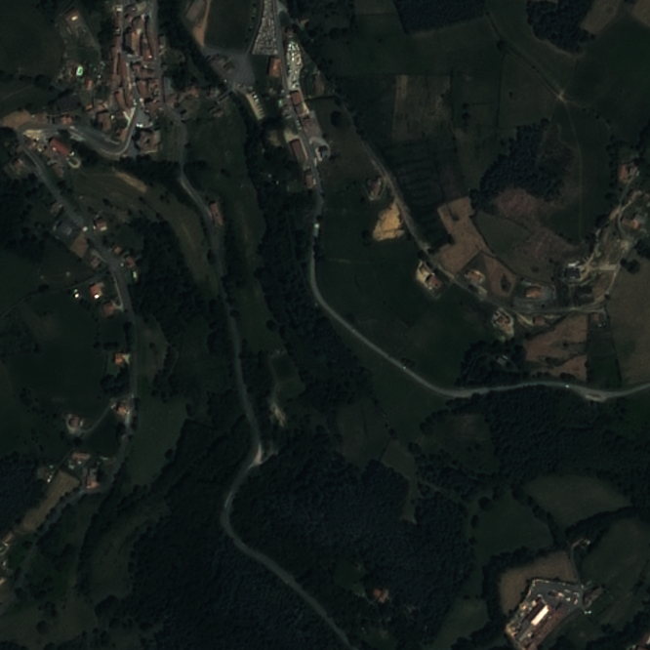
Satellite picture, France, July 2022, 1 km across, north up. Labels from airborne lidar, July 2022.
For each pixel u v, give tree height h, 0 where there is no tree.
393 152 0
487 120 0
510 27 0
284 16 0
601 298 0
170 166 14
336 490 16
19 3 0
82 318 0
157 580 23
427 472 19
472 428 0
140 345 0
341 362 19
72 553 14
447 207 0
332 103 0
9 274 0
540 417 24
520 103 0
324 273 0
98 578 0
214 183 0
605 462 23
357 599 14
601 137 0
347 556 18
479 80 0
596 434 23
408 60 0
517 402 19
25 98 0
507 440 21
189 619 17
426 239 0
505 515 0
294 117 0
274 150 14
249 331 0
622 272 0
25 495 21
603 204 0
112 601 19
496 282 0
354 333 0
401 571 20
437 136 0
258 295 0
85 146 8
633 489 17
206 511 24
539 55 0
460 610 0
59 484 0
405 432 0
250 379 14
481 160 0
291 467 17
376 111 0
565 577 0
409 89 0
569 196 0
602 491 0
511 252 0
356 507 18
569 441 22
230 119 0
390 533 17
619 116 0
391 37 0
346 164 0
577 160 0
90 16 0
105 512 20
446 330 0
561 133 0
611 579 0
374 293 0
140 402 15
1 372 0
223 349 15
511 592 0
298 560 14
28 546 10
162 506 0
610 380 0
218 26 0
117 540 0
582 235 0
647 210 0
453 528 36
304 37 17
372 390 10
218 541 33
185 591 27
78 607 0
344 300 0
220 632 21
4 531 8
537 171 19
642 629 22
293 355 18
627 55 0
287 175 0
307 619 16
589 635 0
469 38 0
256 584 33
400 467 0
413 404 0
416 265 0
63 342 0
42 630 13
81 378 0
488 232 0
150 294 15
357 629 19
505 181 19
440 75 0
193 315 17
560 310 0
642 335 0
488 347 16
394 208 0
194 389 0
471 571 27
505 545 0
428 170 0
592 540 11
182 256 13
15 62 0
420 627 8
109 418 0
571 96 0
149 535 13
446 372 0
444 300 0
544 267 0
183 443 20
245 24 0
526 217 0
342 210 0
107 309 0
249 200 0
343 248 0
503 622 20
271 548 14
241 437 13
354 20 9
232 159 0
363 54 0
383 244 0
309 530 18
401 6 20
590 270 0
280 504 19
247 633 20
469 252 0
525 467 24
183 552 31
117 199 0
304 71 0
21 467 15
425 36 0
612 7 0
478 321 0
